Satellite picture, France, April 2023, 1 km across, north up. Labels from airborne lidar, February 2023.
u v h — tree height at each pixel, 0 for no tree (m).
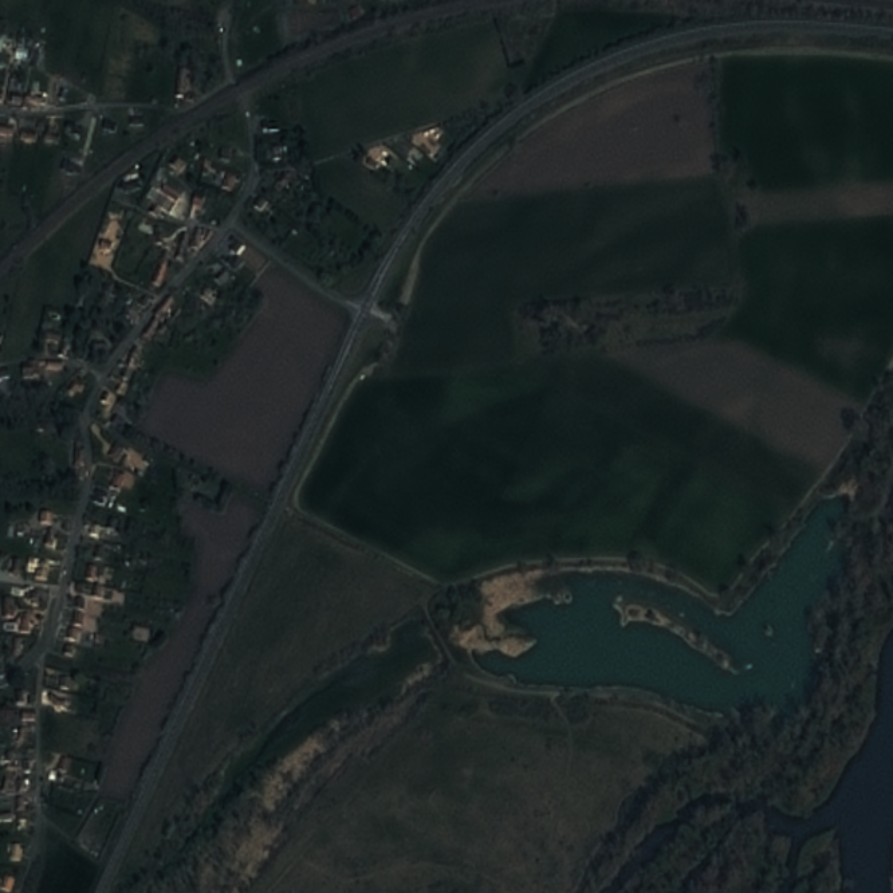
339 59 12
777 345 0
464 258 0
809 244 0
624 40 6
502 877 0
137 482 0
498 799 0
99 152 0
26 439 0
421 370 0
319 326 0
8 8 0
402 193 8
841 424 0
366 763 0
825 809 0
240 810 19
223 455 0
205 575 0
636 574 14
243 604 0
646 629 0
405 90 0
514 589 0
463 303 0
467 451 0
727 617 0
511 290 0
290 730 0
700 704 0
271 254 0
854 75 0
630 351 0
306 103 0
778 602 0
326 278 17
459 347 0
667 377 0
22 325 0
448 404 0
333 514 0
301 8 0
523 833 0
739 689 0
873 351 0
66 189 0
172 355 0
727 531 0
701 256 0
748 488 0
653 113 0
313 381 0
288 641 0
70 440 18
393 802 0
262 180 11
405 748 0
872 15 9
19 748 0
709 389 0
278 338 0
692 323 0
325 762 17
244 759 0
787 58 0
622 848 19
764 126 0
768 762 32
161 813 0
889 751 0
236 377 0
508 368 0
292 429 0
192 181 12
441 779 0
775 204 0
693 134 0
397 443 0
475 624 0
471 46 0
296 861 0
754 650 0
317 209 11
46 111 0
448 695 0
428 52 0
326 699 0
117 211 0
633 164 0
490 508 0
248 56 0
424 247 0
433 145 10
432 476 0
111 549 0
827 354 0
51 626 0
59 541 0
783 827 0
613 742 0
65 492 15
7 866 0
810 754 23
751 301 0
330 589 0
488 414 0
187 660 0
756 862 13
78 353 15
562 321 10
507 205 0
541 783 0
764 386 0
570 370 0
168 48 15
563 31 0
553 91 0
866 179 0
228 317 14
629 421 0
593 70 0
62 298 0
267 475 0
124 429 12
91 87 0
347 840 0
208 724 0
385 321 0
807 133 0
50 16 0
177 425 0
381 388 0
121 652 0
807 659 0
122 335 14
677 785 18
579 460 0
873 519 0
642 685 0
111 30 0
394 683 0
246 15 0
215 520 0
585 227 0
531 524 0
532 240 0
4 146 0
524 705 7
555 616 0
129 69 0
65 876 0
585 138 0
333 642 0
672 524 0
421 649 0
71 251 0
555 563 13
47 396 22
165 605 6
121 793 0
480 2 0
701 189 0
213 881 0
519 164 0
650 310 7
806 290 0
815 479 0
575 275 0
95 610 0
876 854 0
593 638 0
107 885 0
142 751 0
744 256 0
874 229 0
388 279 0
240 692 0
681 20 9
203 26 14
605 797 0
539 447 0
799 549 0
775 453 0
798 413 0
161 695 0
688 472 0
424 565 0
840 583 16
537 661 0
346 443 0
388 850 0
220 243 0
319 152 0
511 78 0
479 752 0
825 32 0
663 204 0
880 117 0
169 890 21
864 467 19
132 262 0
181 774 0
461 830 0
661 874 19
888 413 22
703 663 0
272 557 0
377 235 9
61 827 0
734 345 0
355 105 0
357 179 0
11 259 0
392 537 0
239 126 0
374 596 0
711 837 17
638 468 0
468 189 0
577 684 0
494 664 0
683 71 0
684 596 0
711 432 0
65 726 0
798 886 10
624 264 0
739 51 0
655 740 0
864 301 0
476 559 0
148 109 0
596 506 0
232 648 0
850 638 14
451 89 0
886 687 0
